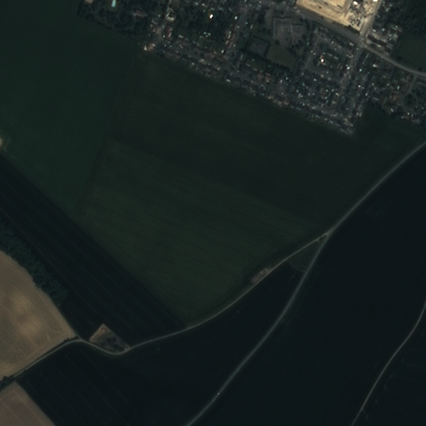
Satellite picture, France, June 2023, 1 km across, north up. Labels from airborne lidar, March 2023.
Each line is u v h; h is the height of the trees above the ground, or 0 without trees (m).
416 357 0
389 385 0
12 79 0
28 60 0
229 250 0
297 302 0
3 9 0
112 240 0
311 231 0
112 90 0
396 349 0
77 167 0
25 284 0
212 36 7
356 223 0
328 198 0
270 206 0
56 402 0
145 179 0
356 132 0
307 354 0
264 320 0
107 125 0
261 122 0
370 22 0
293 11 0
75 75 0
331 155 0
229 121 0
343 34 0
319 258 0
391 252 0
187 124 0
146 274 0
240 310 0
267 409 0
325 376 0
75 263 0
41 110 0
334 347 0
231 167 0
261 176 0
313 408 0
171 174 0
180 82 0
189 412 0
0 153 0
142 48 0
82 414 0
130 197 0
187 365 0
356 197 0
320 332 0
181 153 0
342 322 0
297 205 0
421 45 0
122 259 0
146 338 0
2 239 17
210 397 0
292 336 0
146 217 0
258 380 0
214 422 0
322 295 0
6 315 0
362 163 0
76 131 0
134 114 0
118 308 0
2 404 0
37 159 0
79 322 0
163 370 0
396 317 0
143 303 0
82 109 0
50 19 0
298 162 0
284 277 0
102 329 0
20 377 0
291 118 0
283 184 0
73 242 0
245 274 0
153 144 0
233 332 0
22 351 0
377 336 0
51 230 0
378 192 0
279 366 0
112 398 0
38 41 0
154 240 0
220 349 0
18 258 19
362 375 0
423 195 0
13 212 0
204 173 0
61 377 0
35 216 0
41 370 0
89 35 0
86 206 0
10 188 0
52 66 0
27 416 0
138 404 0
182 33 0
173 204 0
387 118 0
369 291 0
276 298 0
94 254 0
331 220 0
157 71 0
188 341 0
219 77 0
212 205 0
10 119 0
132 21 15
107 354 0
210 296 0
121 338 0
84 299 0
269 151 0
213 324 0
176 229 0
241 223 0
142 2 16
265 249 0
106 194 0
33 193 0
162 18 7
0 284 0
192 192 0
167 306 0
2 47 0
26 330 0
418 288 0
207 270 0
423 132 0
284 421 0
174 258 0
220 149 0
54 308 0
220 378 0
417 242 0
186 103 0
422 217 0
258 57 13
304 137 0
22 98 0
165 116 0
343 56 0
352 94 0
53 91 0
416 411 0
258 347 0
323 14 0
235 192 0
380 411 0
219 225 0
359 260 0
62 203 0
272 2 0
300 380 0
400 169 0
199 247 0
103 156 0
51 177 0
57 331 0
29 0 0
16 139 0
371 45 0
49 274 15
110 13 10
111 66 0
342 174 0
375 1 0
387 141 0
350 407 0
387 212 0
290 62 0
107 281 0
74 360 0
